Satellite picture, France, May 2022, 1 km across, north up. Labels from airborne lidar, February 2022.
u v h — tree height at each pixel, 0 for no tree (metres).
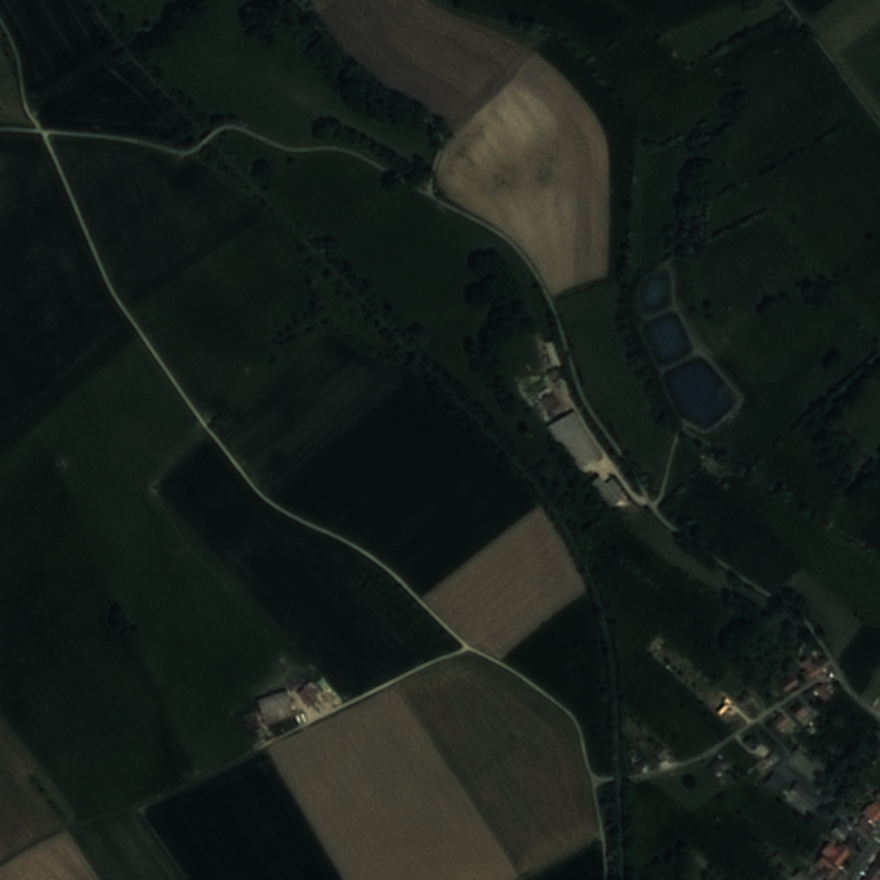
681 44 0
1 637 0
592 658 0
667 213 0
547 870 0
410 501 0
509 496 0
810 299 13
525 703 0
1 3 0
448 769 0
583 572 10
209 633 0
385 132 0
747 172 0
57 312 0
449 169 0
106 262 0
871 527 0
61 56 0
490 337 20
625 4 0
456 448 0
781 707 0
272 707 0
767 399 0
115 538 0
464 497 0
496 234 0
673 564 0
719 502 0
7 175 0
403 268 0
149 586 0
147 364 0
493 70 0
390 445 0
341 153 0
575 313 0
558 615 0
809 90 0
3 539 0
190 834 0
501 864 0
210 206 0
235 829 0
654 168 0
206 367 0
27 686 0
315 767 0
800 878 0
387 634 0
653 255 0
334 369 0
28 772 0
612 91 8
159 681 0
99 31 12
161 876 0
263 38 10
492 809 0
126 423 0
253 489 0
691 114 0
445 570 0
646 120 0
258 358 0
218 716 0
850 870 0
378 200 0
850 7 0
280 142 0
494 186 0
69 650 0
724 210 0
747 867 0
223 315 0
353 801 0
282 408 0
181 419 0
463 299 0
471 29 0
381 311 10
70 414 0
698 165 13
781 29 0
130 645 0
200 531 0
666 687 8
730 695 0
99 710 0
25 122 0
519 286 14
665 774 0
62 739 0
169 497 0
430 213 0
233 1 0
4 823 0
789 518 0
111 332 0
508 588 0
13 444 0
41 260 0
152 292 0
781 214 0
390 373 0
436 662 0
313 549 0
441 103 0
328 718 0
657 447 0
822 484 0
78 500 0
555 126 0
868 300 0
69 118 0
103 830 0
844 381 7
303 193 0
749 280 0
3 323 0
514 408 15
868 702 0
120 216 0
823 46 0
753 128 0
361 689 0
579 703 0
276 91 0
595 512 9
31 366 0
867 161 0
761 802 0
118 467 0
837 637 0
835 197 0
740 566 0
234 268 0
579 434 0
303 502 0
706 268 0
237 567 0
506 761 0
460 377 0
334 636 0
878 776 0
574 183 0
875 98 0
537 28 10
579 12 0
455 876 0
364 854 0
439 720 0
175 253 0
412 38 0
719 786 0
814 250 0
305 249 7
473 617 0
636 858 8
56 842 0
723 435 0
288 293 0
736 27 0
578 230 0
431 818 0
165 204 0
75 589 0
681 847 10
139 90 0
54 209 0
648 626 0
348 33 0
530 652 0
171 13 15
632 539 0
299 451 0
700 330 0
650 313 0
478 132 0
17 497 0
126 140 0
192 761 0
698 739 0
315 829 0
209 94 0
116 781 0
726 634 14
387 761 0
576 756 0
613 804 7
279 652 0
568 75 0
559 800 0
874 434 0
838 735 0
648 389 9
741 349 0
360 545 0
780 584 0
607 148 0
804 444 0
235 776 0
